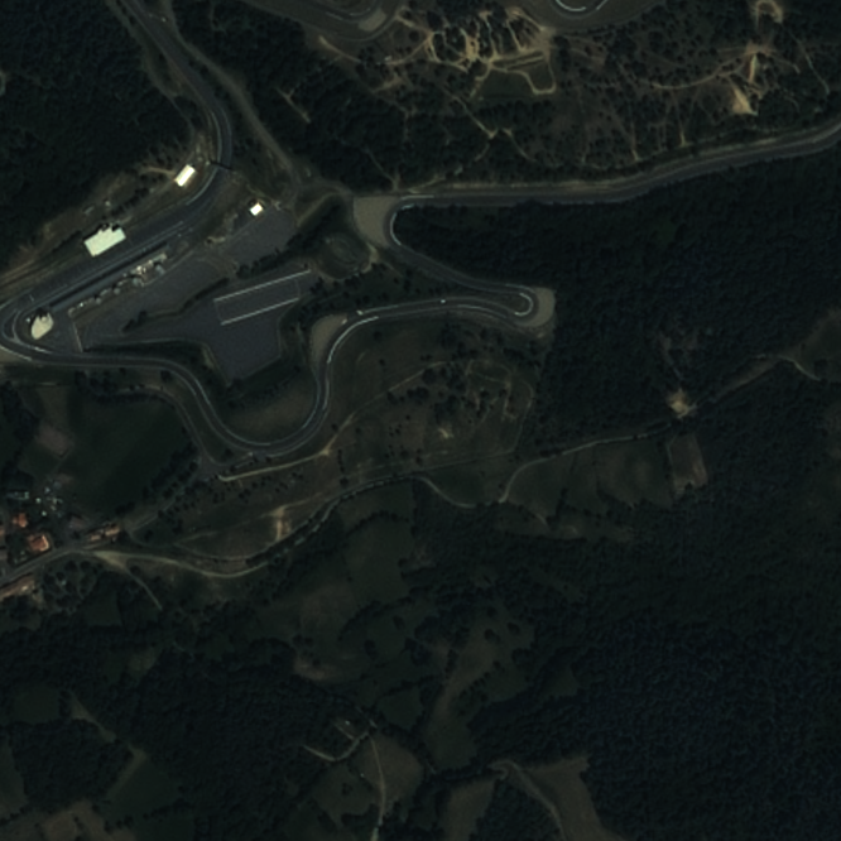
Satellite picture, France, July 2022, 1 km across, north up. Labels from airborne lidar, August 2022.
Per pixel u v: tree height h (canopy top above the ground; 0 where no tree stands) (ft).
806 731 99
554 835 19
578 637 61
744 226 86
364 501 0
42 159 34
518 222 90
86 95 62
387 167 52
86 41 62
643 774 71
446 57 25
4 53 49
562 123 0
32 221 43
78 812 0
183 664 59
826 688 80
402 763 0
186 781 56
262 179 0
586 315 44
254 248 0
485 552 32
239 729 60
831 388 22
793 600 54
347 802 0
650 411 62
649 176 0
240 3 25
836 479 0
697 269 78
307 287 0
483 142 30
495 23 44
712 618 95
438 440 0
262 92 63
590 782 47
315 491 0
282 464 0
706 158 0
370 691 0
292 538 22
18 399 82
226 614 35
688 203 60
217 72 0
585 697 49
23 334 0
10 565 27
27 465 0
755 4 0
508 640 0
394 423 0
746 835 34
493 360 0
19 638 34
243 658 62
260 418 0
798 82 33
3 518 0
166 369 0
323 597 0
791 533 22
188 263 0
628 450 0
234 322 0
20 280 0
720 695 98
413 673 0
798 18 32
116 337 0
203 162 0
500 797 31
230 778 53
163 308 0
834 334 0
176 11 33
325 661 0
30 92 54
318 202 0
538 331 0
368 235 0
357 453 0
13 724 31
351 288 30
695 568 39
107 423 0
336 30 0
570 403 48
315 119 48
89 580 37
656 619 125
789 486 41
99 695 67
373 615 49
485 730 56
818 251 73
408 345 0
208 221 0
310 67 58
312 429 0
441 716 0
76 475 0
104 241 0
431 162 38
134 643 73
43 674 71
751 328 73
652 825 32
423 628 35
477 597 47
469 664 0
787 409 25
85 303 0
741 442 25
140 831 0
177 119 52
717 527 33
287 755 35
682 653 96
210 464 0
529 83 0
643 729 80
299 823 0
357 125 49
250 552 0
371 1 0
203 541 0
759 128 24
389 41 0
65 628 35
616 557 31
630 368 65
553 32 0
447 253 40
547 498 0
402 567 30
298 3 0
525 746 38
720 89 0
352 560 0
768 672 50
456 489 0
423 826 0
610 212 57
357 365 0
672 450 0
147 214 0
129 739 51
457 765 0
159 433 0
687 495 25
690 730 88
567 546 25
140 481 0
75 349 0
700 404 18
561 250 87
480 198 0
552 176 35
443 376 37
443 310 0
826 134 0
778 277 87
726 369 26
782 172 55
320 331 0
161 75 0
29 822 0
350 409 0
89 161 37
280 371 0
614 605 72
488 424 0
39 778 54
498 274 40
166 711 72
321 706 35
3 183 40
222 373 0
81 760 58
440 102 32
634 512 28
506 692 0
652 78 19
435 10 0
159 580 25
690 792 24
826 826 74
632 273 78
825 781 87
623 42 28
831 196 64
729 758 56
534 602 56
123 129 56
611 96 43
